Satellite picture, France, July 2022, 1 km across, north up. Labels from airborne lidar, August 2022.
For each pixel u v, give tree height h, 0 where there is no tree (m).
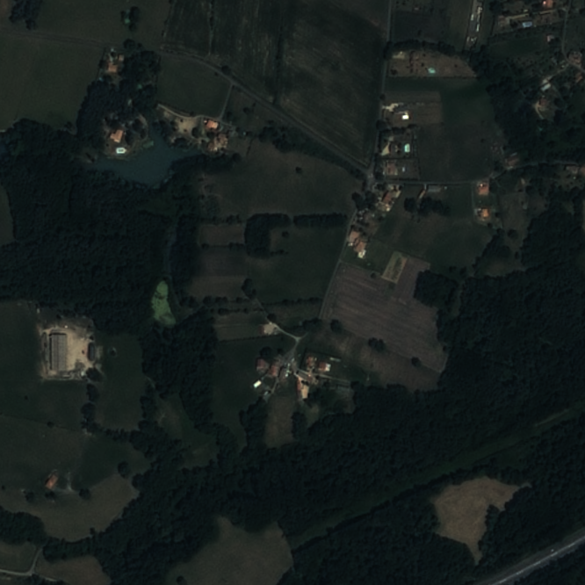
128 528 30
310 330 15
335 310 0
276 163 0
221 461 22
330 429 22
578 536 0
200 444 0
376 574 34
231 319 0
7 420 0
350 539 24
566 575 21
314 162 0
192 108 0
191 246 17
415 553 21
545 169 16
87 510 0
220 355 0
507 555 9
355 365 0
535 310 6
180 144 14
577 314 17
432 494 6
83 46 0
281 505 27
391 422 25
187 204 15
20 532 22
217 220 11
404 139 0
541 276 15
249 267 0
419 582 20
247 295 9
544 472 7
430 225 0
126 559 21
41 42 0
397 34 0
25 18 18
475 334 18
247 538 0
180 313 0
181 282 18
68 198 6
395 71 7
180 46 0
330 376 0
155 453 16
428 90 0
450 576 21
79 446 0
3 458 0
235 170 0
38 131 21
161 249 8
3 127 0
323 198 0
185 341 16
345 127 0
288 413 0
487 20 0
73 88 0
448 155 0
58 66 0
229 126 0
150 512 21
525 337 14
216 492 20
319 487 21
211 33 0
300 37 0
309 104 0
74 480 0
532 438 6
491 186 10
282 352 13
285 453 7
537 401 17
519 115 17
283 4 0
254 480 20
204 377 22
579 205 16
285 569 0
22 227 18
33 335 0
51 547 14
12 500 0
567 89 11
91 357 0
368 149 0
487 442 16
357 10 0
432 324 0
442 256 0
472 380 21
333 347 0
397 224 0
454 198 0
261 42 0
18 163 26
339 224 19
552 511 23
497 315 23
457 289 27
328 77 0
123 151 0
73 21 0
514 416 16
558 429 17
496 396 29
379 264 0
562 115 24
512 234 15
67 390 0
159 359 22
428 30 0
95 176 19
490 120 0
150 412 16
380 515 26
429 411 14
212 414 12
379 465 25
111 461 0
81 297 21
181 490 20
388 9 0
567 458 21
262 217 14
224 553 0
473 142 0
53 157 24
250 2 0
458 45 0
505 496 0
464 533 0
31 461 0
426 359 0
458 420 20
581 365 34
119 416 0
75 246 20
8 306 0
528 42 0
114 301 14
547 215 10
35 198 26
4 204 0
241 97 0
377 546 30
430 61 0
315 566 26
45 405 0
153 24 0
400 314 0
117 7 0
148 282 17
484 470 16
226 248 7
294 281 0
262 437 21
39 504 0
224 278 0
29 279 14
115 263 17
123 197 26
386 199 0
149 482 20
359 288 0
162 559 26
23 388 0
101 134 21
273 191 0
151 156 0
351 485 22
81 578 0
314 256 0
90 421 23
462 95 0
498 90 20
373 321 0
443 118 0
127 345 0
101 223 11
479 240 0
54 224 10
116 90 22
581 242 22
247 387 0
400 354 0
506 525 18
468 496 0
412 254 0
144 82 7
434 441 26
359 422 23
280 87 0
